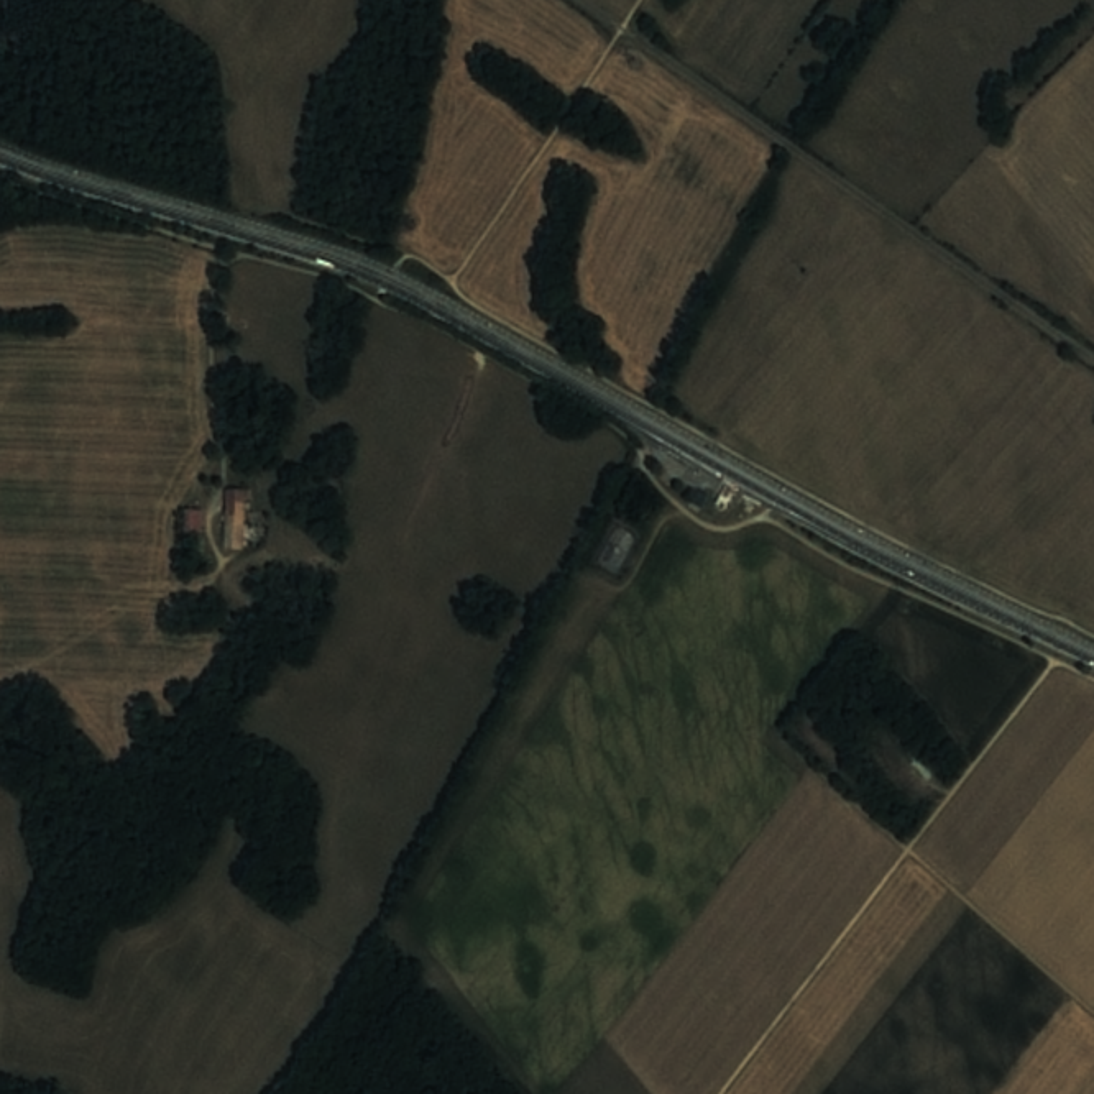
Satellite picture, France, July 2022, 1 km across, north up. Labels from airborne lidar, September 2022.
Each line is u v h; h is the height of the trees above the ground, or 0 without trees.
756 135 0
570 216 23
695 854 0
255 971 0
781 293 0
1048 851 0
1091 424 0
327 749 0
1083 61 0
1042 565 0
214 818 17
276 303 0
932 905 0
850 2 0
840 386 0
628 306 0
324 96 14
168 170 12
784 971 0
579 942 0
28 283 0
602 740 0
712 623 0
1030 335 0
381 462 0
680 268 0
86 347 0
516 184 0
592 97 22
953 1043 0
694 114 0
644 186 0
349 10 0
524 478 0
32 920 20
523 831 0
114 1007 0
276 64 0
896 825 8
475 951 0
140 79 16
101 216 13
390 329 0
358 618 0
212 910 0
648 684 0
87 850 22
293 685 0
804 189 0
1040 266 0
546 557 0
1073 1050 0
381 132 15
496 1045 0
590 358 20
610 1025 0
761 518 0
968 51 0
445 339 0
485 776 0
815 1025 0
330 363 27
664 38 11
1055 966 0
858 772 18
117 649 0
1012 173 0
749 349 0
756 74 0
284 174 0
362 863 0
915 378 0
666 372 23
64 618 0
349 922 0
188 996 0
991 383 0
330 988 0
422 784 0
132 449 0
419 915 0
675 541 0
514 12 0
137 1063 0
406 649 0
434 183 0
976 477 0
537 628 20
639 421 0
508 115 0
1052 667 0
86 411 0
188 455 0
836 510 0
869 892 0
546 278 22
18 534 0
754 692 0
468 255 0
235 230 0
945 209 0
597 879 0
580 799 0
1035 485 0
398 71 23
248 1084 0
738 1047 0
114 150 15
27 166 0
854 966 0
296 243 0
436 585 0
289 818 30
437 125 0
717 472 0
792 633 0
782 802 0
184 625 21
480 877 0
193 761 24
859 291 0
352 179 23
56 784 27
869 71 0
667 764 0
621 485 19
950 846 0
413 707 0
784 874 0
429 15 24
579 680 0
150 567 0
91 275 0
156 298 0
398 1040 22
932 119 0
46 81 17
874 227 0
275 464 13
